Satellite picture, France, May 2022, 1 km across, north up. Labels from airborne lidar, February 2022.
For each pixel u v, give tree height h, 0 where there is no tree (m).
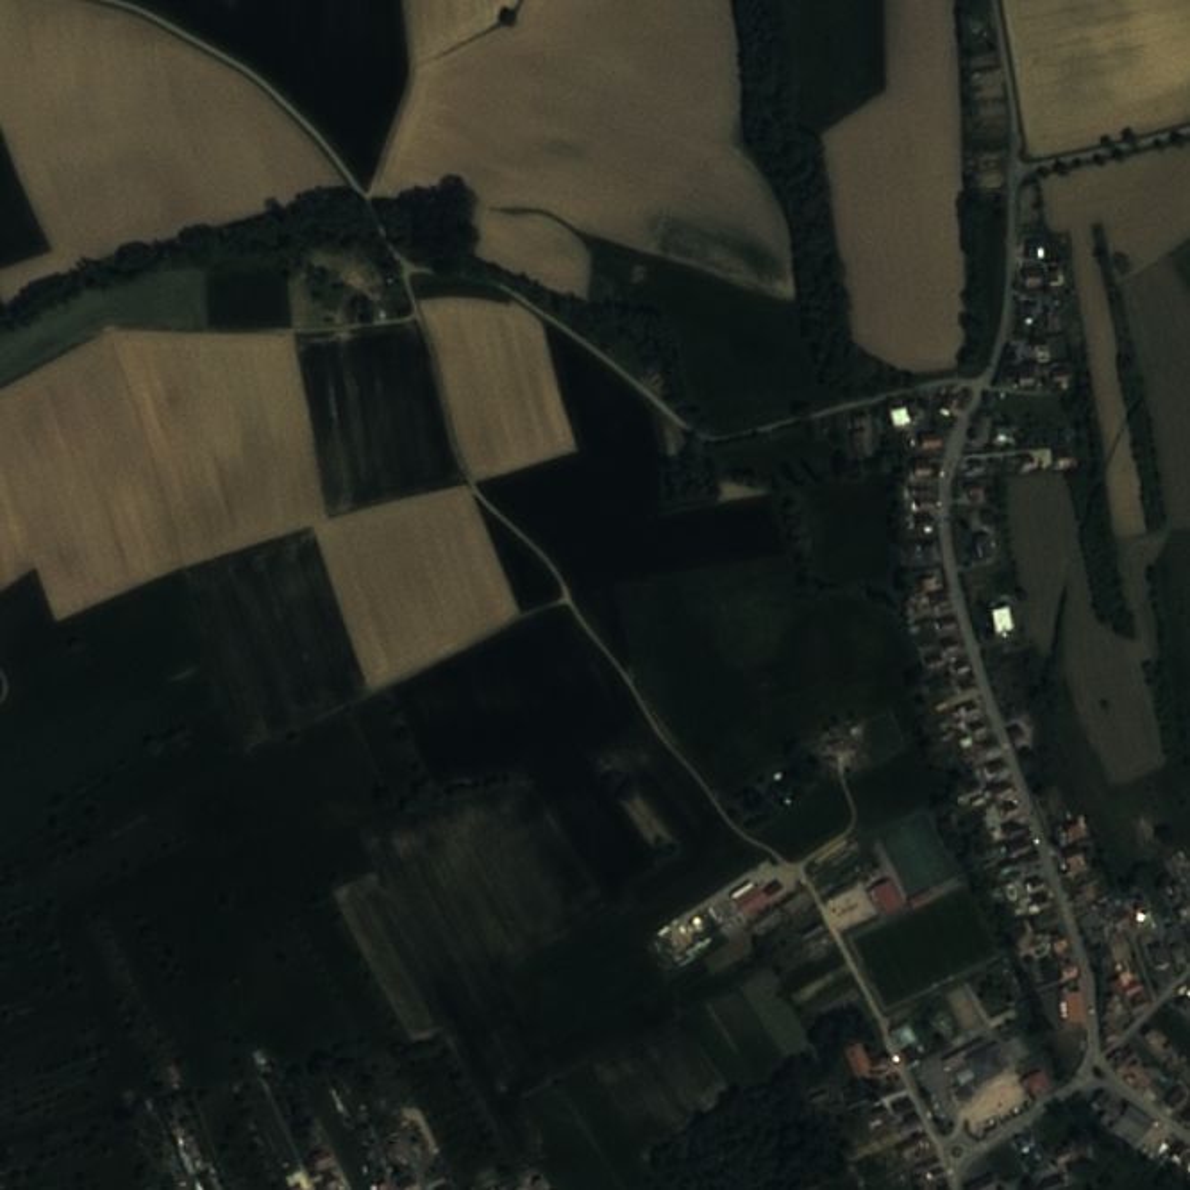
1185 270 0
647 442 0
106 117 0
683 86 0
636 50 0
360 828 0
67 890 0
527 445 0
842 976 0
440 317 0
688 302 0
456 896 0
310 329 0
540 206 0
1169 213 0
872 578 0
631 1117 0
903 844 0
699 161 0
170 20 0
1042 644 0
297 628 0
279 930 0
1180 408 0
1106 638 0
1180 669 0
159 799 0
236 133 0
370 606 0
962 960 0
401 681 0
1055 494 0
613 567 0
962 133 0
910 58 0
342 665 0
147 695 0
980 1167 0
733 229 0
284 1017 0
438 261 33
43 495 0
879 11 0
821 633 0
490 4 0
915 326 0
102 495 0
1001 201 6
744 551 0
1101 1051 0
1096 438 8
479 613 0
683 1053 0
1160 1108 0
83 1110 0
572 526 0
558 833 0
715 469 17
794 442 0
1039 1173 0
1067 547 0
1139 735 0
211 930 0
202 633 0
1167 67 0
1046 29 0
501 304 0
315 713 0
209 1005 0
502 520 0
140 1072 0
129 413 0
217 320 0
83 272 14
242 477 0
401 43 0
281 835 0
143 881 0
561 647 0
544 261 0
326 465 0
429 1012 0
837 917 0
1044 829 0
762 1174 19
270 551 0
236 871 0
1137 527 0
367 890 0
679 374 9
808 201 20
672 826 0
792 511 12
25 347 0
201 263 18
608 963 0
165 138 0
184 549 0
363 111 0
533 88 0
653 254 0
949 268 0
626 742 0
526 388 0
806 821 0
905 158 0
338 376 0
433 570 0
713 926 0
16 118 0
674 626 0
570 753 0
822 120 0
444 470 0
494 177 0
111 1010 0
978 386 0
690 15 0
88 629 0
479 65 0
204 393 0
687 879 0
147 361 0
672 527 0
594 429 0
